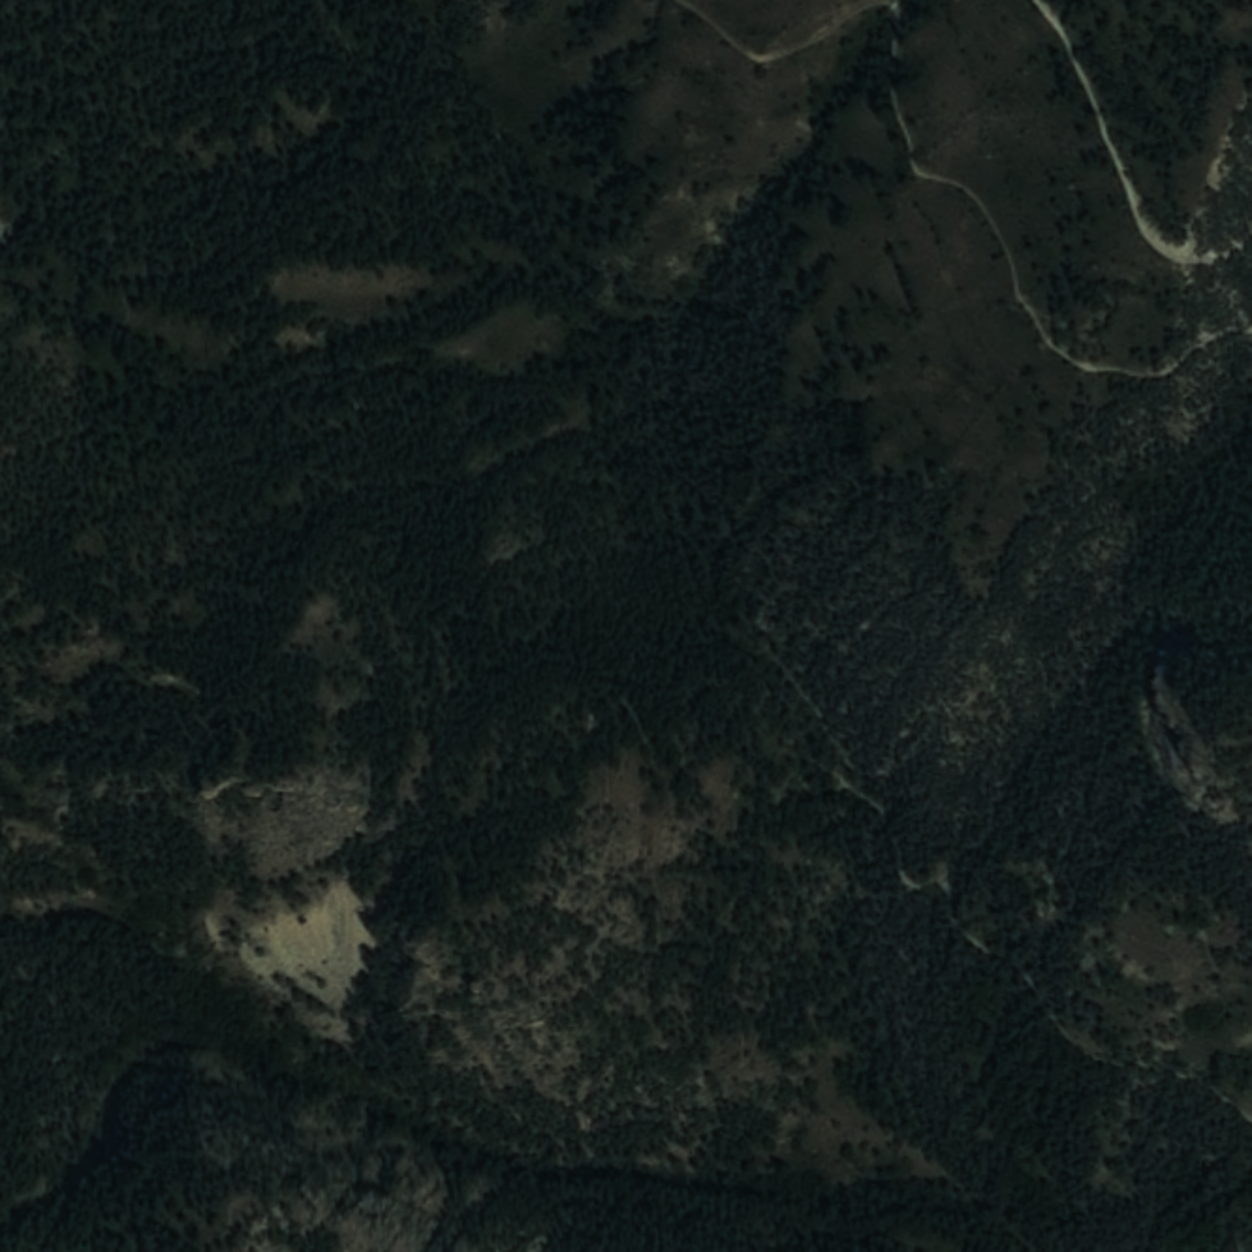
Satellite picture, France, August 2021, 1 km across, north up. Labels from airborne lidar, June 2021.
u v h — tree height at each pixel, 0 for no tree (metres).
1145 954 0
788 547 10
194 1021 9
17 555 15
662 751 21
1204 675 9
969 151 0
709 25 0
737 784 8
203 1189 12
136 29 12
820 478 18
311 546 13
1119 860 13
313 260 18
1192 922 8
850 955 26
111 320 6
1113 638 12
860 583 13
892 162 0
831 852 12
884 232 0
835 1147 0
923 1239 6
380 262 16
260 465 11
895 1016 17
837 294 0
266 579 15
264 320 21
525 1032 13
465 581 15
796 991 20
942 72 0
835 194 0
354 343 20
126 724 22
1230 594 10
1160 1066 7
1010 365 0
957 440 0
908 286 13
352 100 29
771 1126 25
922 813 10
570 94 0
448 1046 16
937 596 10
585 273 12
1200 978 0
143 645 16
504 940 11
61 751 25
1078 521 10
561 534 17
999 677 8
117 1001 16
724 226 10
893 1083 20
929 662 7
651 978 10
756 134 0
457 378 19
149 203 16
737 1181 9
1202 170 0
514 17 14
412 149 18
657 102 0
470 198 19
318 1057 6
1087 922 12
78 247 21
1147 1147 15
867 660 11
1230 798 12
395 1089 16
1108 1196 8
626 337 10
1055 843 13
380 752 16
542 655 23
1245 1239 13
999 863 9
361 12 28
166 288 13
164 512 14
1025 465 0
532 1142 21
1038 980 16
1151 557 15
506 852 19
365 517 15
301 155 19
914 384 0
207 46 13
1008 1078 10
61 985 18
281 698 16
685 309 12
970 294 0
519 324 0
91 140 16
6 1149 17
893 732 11
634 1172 11
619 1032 11
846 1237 9
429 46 20
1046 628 13
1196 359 9
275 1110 7
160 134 18
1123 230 0
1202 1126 10
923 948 12
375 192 23
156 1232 15
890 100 13
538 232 23
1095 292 11
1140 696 22
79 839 16
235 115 18
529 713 15
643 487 22
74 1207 22
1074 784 11
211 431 13
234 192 18
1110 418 11
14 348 6
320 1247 19
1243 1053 6
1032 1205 13
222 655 14
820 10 0
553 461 13
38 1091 18
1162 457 14
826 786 13
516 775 22
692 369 20
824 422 18
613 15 9
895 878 10
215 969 6
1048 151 0
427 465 15
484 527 18
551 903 15
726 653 27
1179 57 10
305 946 0
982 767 9
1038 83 0
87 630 9
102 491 13
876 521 22
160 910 7
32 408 12
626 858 0
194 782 7
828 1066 0
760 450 16
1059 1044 10
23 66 15
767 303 16
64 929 29
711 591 6
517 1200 27
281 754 20
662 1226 26
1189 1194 11
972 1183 17
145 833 28
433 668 10
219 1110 7
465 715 15
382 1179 10
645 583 23
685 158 0
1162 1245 14
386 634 10
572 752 17
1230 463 23
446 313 19
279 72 18
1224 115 0
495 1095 11
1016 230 0
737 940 16
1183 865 25
